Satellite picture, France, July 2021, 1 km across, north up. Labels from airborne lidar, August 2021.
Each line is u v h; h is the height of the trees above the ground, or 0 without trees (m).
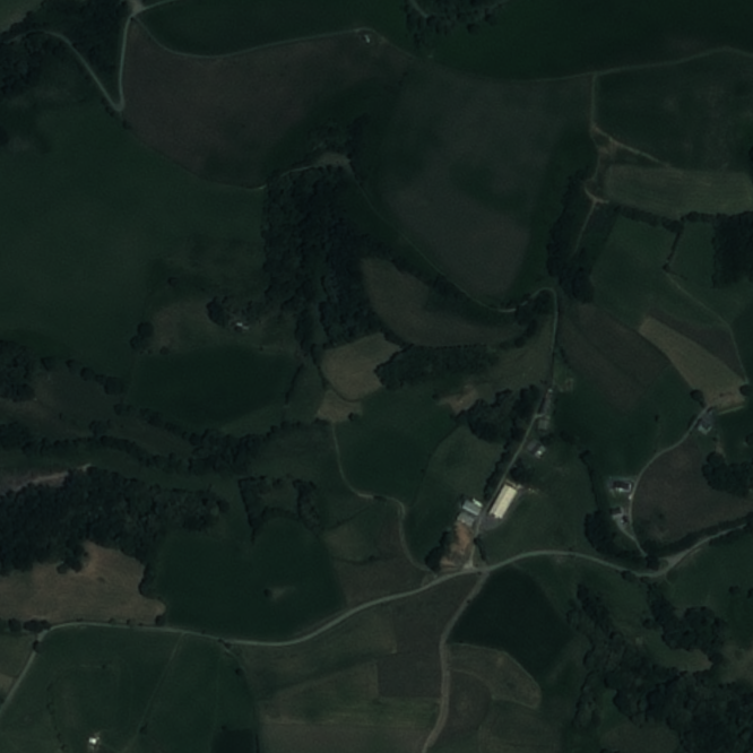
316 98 0
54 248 0
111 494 26
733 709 27
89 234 0
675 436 0
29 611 0
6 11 0
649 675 15
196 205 0
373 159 0
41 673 0
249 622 0
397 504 0
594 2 0
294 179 13
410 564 0
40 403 0
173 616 0
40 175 0
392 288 0
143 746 0
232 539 0
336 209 13
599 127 0
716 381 0
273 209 16
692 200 0
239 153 0
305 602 0
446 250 0
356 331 22
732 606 0
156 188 0
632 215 11
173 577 0
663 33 0
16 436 16
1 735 0
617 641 24
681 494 0
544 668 0
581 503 0
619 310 0
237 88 0
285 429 9
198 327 0
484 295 0
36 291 0
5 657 0
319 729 0
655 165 0
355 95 0
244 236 0
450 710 0
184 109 0
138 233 0
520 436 19
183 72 0
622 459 0
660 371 0
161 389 0
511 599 0
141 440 0
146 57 0
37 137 0
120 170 0
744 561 0
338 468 0
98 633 0
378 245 11
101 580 0
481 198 0
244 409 0
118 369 0
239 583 0
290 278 18
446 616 0
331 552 0
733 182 0
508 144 0
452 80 0
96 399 0
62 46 14
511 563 0
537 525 0
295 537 0
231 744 0
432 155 0
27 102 0
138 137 0
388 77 0
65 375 0
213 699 0
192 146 0
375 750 0
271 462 0
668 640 19
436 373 20
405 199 0
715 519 0
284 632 0
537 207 0
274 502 0
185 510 24
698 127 0
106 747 0
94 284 0
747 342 0
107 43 6
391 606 0
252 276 0
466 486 0
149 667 0
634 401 0
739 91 0
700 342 0
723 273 9
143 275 0
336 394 0
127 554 18
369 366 0
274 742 0
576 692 0
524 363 0
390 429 0
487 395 0
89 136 0
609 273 0
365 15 0
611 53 0
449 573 0
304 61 0
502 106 0
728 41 0
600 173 0
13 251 0
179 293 0
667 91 0
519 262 0
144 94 0
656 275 0
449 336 0
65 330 0
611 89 0
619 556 15
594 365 0
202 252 0
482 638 0
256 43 0
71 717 0
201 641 0
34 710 0
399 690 0
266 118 0
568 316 0
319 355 7
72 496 21
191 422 0
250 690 0
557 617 0
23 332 0
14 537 16
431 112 0
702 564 0
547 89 0
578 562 0
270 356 0
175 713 0
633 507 0
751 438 10
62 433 0
